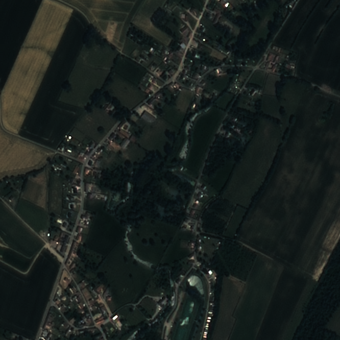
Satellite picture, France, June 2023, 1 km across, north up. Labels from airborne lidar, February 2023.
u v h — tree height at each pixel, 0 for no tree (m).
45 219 0
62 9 0
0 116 0
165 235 0
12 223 0
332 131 0
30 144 0
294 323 0
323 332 19
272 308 0
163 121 0
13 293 0
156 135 0
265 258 0
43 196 0
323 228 0
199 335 0
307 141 0
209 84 0
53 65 0
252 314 0
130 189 0
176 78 0
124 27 0
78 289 0
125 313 0
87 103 0
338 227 0
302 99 0
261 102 8
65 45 0
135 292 0
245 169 0
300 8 0
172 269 13
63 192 0
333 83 0
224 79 0
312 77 0
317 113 0
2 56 0
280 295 0
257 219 0
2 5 0
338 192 0
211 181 0
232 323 0
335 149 0
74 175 0
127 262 6
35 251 0
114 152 0
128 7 0
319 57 0
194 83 0
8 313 0
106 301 0
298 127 0
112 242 0
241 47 31
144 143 0
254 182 0
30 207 0
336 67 0
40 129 0
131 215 12
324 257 0
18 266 0
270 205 0
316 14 0
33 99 0
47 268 0
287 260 0
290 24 0
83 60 0
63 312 0
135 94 0
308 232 0
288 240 0
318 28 0
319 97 0
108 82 7
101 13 0
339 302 16
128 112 20
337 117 0
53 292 0
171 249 0
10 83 0
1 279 0
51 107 0
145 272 0
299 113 0
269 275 0
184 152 0
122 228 0
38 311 0
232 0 0
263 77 0
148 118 0
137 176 30
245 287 0
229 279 0
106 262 0
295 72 0
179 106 0
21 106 0
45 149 0
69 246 0
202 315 10
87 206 0
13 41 0
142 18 0
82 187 0
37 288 0
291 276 0
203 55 8
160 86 0
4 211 0
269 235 0
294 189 0
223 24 0
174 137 32
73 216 0
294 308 0
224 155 9
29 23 0
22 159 0
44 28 0
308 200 0
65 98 0
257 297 0
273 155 0
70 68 0
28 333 0
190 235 0
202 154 0
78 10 0
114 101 17
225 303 0
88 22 0
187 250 0
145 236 0
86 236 0
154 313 0
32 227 0
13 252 0
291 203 0
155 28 0
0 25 0
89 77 0
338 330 0
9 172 0
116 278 0
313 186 0
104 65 0
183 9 0
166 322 0
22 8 0
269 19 0
